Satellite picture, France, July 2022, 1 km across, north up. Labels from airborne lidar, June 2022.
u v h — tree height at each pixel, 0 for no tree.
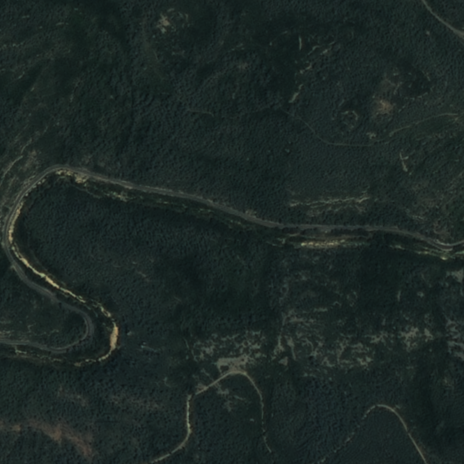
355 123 14
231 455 9
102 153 10
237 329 8
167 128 16
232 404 7
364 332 9
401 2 10
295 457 9
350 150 11
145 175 8
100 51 15
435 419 7
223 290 13
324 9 10
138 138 7
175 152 11
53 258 8
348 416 12
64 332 10
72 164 10
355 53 13
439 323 9
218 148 11
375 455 5
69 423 9
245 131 11
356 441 7
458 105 6
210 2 11
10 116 12
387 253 13
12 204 6
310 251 7
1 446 7
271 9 10
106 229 12
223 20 12
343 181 9
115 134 9
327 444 13
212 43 10
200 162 13
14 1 5
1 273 7
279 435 10
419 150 15
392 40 12
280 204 10
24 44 9
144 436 11
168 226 8
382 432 6
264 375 6
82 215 12
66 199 8
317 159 9
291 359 7
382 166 10
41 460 8
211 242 15
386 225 12
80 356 10
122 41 6
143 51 10
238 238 7
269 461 12
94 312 12
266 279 6
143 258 7
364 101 12
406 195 8
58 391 10
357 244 6
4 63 12
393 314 8
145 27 9
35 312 0
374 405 7
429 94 9
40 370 9
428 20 12
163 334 8
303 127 10
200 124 17
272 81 6
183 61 8
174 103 13
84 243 11
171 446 9
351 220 11
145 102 21
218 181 10
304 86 10
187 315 8
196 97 12
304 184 9
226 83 10
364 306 6
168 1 10
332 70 11
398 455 9
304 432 7
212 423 6
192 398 7
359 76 12
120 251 9
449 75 11
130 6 13
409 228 14
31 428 8
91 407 10
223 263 13
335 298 7
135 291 11
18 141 10
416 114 8
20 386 11
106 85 12
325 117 8
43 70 11
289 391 15
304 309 6
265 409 8
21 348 6
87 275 10
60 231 8
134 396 10
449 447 7
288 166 7
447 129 6
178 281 7
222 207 0
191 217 13
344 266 7
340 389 10
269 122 13
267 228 11
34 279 13
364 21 7
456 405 8
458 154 16
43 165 13
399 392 9
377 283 7
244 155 11
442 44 8
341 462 7
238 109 15
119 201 9
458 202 12
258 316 7
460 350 8
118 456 8
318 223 5
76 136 7
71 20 8
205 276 13
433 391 10
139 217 7
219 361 0
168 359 0
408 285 15
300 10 10
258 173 15
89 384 14
